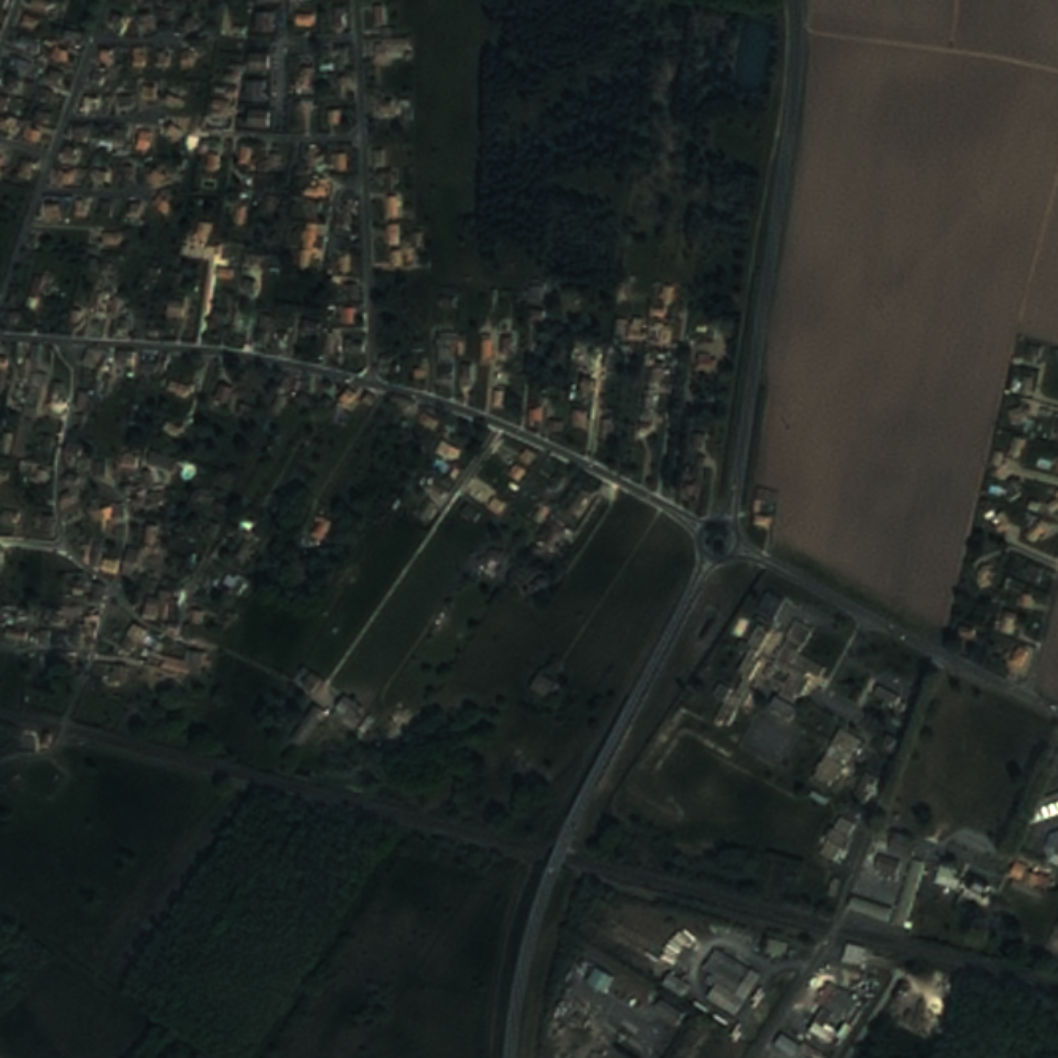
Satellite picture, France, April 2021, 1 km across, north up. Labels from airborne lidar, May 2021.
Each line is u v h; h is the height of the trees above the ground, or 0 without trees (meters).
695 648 0
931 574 0
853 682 7
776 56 7
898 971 0
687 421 10
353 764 14
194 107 0
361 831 21
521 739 0
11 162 0
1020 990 22
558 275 13
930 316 0
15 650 0
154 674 0
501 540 11
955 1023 19
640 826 11
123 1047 0
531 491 0
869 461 0
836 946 0
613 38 17
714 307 10
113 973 0
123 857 11
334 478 0
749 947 0
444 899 0
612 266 15
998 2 0
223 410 10
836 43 0
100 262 7
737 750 0
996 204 0
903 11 0
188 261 7
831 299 0
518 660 0
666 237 18
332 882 22
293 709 15
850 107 0
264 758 0
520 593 14
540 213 22
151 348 0
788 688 0
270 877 21
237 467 6
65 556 0
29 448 6
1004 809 0
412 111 0
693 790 0
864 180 0
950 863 10
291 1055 0
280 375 13
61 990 0
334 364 9
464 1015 0
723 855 16
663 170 16
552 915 0
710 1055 0
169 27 12
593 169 19
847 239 0
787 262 0
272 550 7
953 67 0
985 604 10
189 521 9
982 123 0
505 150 9
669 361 8
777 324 0
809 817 0
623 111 13
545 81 14
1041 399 0
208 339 8
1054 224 0
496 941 0
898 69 0
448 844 7
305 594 20
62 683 14
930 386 0
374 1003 6
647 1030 0
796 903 13
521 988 0
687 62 15
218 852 12
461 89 0
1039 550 0
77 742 0
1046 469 0
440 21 0
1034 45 0
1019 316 0
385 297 12
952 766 0
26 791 0
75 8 0
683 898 6
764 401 0
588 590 0
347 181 7
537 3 19
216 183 0
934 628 0
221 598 16
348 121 12
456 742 19
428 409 9
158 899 0
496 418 0
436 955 0
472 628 9
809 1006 0
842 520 0
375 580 0
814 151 0
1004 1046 15
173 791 0
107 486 0
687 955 0
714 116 15
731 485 0
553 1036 0
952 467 0
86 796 0
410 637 0
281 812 17
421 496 12
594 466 0
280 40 0
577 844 0
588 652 0
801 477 0
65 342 0
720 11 13
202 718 0
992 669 0
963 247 0
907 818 0
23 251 6
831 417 0
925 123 0
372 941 0
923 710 20
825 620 0
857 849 0
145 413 7
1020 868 0
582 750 0
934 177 0
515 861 0
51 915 0
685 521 0
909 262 0
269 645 0
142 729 17
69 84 9
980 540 7
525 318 10
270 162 0
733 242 14
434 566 0
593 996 0
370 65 6
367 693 0
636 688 0
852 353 0
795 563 0
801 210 0
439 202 0
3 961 7
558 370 9
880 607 0
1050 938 0
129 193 0
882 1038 11
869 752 0
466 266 0
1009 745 0
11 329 6
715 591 0
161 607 0
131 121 0
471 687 0
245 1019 17
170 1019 15
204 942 20
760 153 0
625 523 0
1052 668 0
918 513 0
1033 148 0
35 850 0
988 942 23
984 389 0
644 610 0
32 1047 0
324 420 8
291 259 11
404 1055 0
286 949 16
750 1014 0
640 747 0
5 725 12
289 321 0
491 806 0
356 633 0
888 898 0
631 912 0
